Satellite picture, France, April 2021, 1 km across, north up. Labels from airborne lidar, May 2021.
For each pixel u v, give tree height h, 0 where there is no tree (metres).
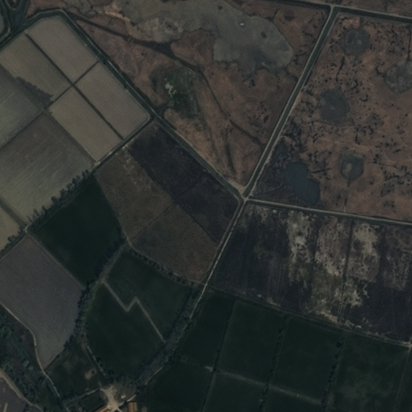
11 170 0
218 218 0
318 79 0
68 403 21
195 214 0
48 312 0
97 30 0
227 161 0
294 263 0
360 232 0
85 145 0
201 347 0
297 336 0
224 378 0
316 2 0
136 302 0
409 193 0
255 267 0
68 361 0
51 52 0
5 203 0
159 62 0
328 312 0
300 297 0
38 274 0
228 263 0
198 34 0
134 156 0
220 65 0
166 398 0
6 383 0
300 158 0
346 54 0
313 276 0
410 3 0
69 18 0
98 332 0
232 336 0
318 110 0
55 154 0
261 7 0
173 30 0
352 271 0
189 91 0
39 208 0
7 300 0
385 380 0
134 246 0
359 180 0
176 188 0
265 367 0
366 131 0
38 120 0
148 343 0
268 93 0
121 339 0
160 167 0
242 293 0
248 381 0
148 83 0
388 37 0
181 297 0
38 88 0
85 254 0
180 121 0
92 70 0
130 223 0
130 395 0
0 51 0
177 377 0
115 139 0
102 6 0
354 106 0
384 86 0
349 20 0
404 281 0
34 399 13
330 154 0
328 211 0
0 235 0
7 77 0
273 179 0
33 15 0
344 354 0
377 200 0
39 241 0
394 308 0
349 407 0
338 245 0
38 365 6
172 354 22
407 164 0
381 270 0
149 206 0
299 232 0
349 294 0
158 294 0
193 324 10
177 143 0
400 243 0
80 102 0
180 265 0
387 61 0
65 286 0
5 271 0
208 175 0
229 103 0
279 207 0
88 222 0
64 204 7
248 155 0
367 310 0
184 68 0
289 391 0
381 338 0
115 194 0
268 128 0
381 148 0
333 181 0
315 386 0
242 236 0
